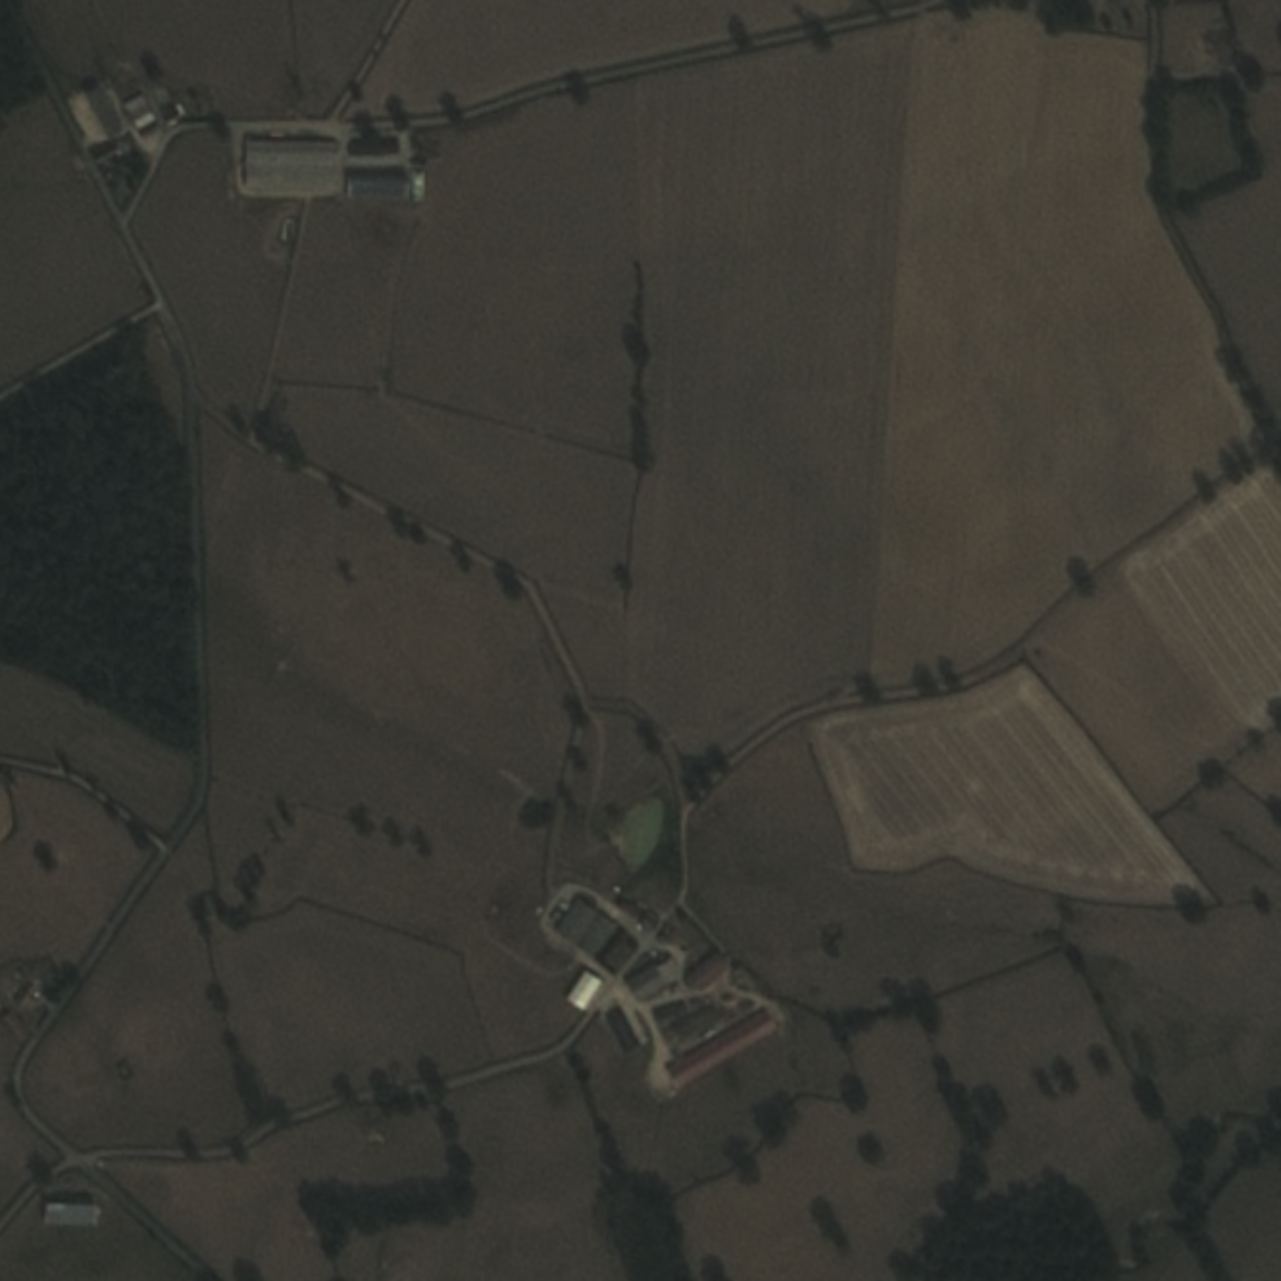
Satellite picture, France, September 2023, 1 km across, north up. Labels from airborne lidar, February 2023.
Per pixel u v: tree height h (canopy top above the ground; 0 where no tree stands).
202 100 0
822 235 0
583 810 0
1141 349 0
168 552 6
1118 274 0
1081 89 0
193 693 13
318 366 0
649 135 0
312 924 0
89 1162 0
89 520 17
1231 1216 0
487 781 0
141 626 15
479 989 0
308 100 0
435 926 0
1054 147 0
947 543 0
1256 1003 0
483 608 0
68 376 0
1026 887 0
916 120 0
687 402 0
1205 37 0
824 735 0
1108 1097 0
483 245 0
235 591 0
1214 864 0
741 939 0
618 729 0
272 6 0
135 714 15
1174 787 0
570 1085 0
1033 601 0
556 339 0
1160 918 0
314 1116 0
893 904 0
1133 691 0
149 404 13
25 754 0
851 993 0
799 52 0
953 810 0
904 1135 0
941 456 0
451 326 0
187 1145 16
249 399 0
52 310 0
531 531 0
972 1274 15
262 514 0
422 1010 0
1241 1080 0
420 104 0
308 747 0
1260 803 0
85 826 0
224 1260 0
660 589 0
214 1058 0
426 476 0
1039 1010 0
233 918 8
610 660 0
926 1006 18
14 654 12
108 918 0
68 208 0
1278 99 0
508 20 0
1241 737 0
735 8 0
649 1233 0
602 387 0
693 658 0
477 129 0
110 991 0
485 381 0
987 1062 0
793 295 0
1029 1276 18
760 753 0
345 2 0
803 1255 0
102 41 0
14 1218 0
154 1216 0
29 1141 0
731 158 0
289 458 19
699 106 0
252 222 0
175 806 0
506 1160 0
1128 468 0
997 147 0
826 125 0
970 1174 17
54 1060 0
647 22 0
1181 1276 0
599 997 0
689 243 0
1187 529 0
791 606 0
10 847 0
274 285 0
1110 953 0
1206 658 0
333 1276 0
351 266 0
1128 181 0
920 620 0
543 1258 0
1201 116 0
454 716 0
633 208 0
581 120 0
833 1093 0
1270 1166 0
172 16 0
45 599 12
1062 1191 18
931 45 0
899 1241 0
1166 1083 0
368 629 0
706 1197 0
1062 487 0
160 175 0
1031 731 0
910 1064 0
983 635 0
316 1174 0
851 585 0
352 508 0
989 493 0
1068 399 0
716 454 0
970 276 0
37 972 0
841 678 0
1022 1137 0
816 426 0
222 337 0
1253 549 0
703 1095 0
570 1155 0
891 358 0
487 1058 0
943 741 0
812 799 0
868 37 0
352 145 0
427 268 0
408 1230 0
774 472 0
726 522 0
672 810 0
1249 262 0
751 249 0
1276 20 0
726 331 0
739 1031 0
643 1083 0
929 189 0
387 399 0
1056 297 0
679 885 0
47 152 0
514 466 0
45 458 23
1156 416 0
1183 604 0
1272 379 0
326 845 0
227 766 0
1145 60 0
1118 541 0
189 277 0
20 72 20
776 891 0
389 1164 0
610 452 0
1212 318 0
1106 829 0
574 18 0
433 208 0
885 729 0
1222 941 0
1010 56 0
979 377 0
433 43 0
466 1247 0
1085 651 0
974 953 0
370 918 0
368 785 0
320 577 0
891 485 0
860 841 0
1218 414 0
